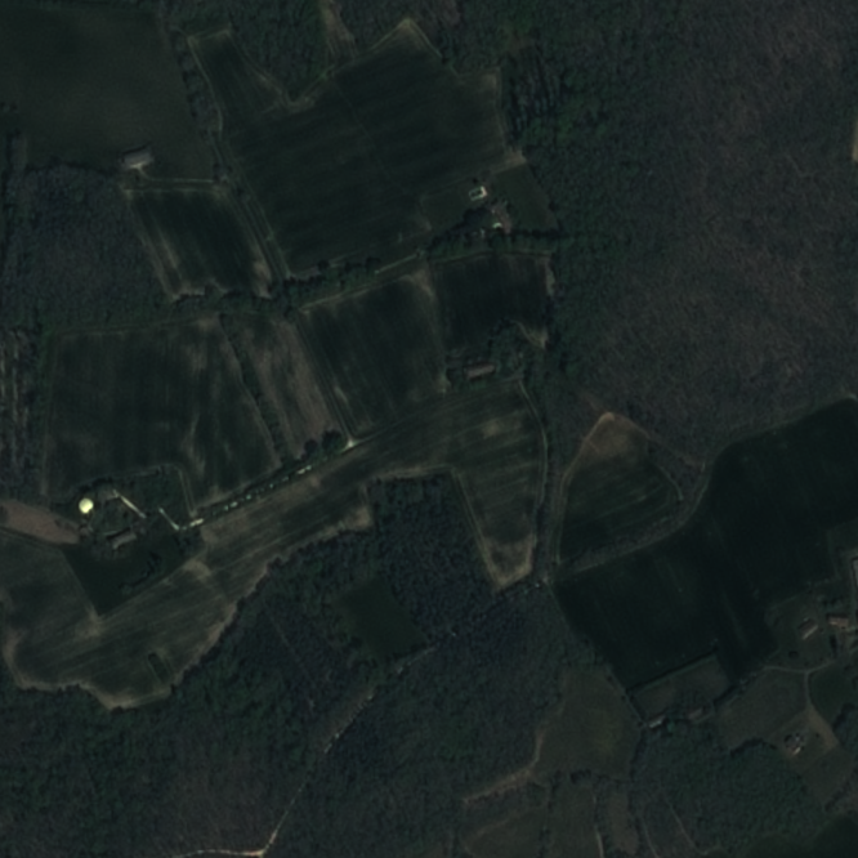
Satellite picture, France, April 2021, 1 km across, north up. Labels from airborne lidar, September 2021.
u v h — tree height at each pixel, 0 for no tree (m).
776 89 18
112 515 11
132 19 0
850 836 0
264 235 0
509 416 0
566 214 19
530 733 19
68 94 0
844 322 12
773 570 0
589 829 0
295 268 0
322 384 0
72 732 19
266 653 12
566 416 21
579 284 21
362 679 20
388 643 0
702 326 18
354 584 21
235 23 20
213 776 16
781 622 10
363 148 0
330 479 0
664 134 19
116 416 0
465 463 0
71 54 0
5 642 0
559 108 26
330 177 0
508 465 0
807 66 19
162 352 0
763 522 0
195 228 0
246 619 20
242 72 0
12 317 24
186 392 0
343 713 17
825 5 19
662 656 0
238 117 0
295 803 16
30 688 0
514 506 0
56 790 19
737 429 17
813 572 0
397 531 20
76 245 20
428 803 16
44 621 0
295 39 26
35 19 0
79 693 11
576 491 0
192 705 20
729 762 14
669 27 18
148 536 12
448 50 14
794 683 0
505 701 19
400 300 0
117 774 24
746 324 15
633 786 12
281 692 14
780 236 16
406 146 0
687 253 16
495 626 22
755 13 16
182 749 16
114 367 0
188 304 16
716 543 0
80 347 0
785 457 0
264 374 0
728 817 19
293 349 0
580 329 25
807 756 0
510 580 0
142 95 0
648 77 16
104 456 0
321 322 0
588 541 0
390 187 0
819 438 0
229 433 0
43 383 24
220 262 0
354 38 17
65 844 15
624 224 21
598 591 0
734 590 0
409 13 16
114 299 22
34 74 0
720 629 0
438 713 22
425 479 0
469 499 0
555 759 0
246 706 22
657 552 0
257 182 0
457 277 0
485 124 0
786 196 14
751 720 0
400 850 14
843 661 13
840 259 18
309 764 25
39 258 23
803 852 0
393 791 20
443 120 0
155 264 21
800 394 14
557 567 10
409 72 0
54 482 0
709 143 19
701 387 17
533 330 0
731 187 15
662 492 0
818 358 12
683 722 7
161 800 21
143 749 21
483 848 0
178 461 0
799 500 0
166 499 9
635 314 17
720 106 17
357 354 0
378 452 0
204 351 0
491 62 22
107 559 10
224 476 0
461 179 0
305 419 0
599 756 0
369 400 0
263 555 0
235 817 14
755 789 23
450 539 24
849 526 0
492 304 0
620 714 0
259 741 20
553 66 21
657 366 22
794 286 16
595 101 26
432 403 0
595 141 25
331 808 20
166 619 0
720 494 0
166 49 0
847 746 18
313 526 0
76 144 0
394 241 0
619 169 22
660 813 16
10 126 0
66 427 0
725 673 7
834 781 0
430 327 0
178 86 0
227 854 11
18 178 19
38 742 14
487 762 16
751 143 19
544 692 20
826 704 0
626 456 0
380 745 23
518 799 15
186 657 0
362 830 17
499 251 15
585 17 20
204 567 0
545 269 0
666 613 0
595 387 22
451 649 20
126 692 0
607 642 0
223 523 0
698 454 12
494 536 0
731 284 17
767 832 15
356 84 0
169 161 0
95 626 0
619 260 19
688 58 19
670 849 11
